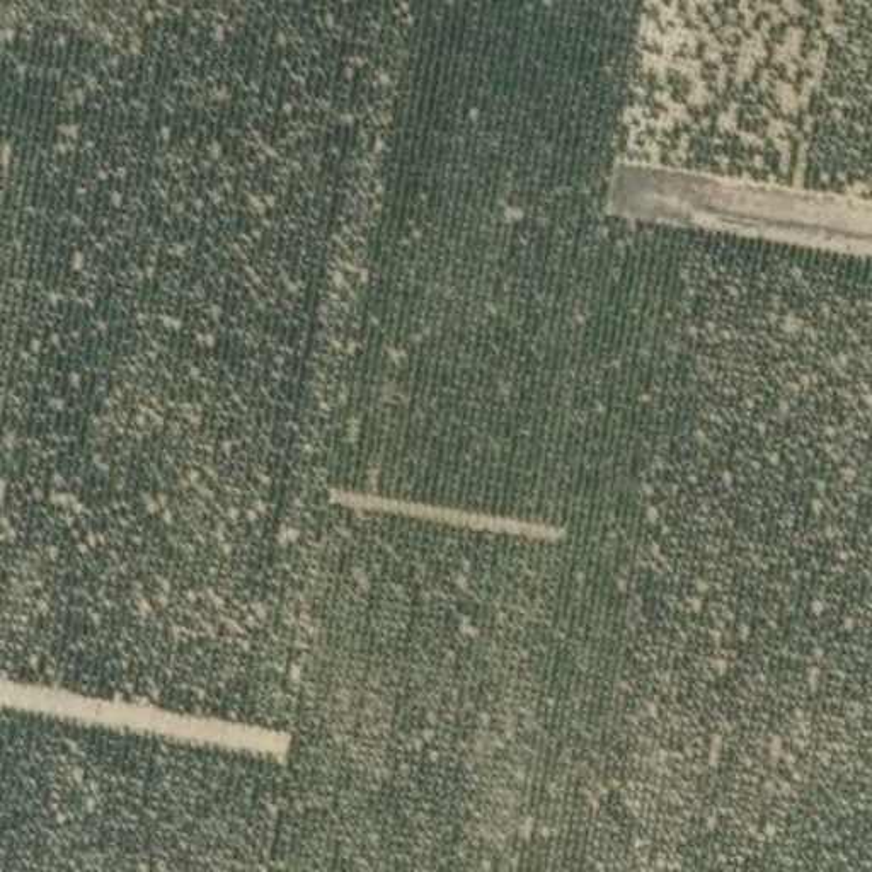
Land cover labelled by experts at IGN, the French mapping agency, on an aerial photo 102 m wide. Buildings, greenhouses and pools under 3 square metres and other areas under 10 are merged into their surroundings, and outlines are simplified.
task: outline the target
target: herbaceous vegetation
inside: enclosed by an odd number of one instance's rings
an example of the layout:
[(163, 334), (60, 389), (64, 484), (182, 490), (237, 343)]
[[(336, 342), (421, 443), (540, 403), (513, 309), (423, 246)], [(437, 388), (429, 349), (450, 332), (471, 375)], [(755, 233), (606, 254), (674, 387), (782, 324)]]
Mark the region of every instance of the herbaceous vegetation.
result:
[(780, 184), (773, 177), (722, 177), (705, 167), (688, 167), (691, 140), (681, 136), (668, 170), (637, 170), (620, 167), (613, 160), (606, 174), (603, 204), (606, 215), (623, 221), (709, 228), (743, 238), (766, 238), (872, 259), (872, 198), (869, 184), (852, 184), (845, 191), (811, 191), (800, 184)]

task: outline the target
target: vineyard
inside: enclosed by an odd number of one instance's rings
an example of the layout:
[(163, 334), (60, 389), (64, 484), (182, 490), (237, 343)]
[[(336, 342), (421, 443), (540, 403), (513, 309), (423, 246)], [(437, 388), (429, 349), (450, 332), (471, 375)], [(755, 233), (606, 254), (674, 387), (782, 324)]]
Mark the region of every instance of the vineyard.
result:
[(603, 204), (606, 174), (613, 160), (620, 167), (637, 170), (668, 170), (681, 136), (691, 140), (688, 167), (705, 167), (722, 177), (773, 177), (780, 184), (800, 184), (811, 191), (845, 191), (852, 184), (869, 184), (872, 198), (872, 0), (0, 0), (0, 872), (872, 872), (872, 259), (766, 238), (743, 238), (709, 228), (623, 221), (606, 215)]

